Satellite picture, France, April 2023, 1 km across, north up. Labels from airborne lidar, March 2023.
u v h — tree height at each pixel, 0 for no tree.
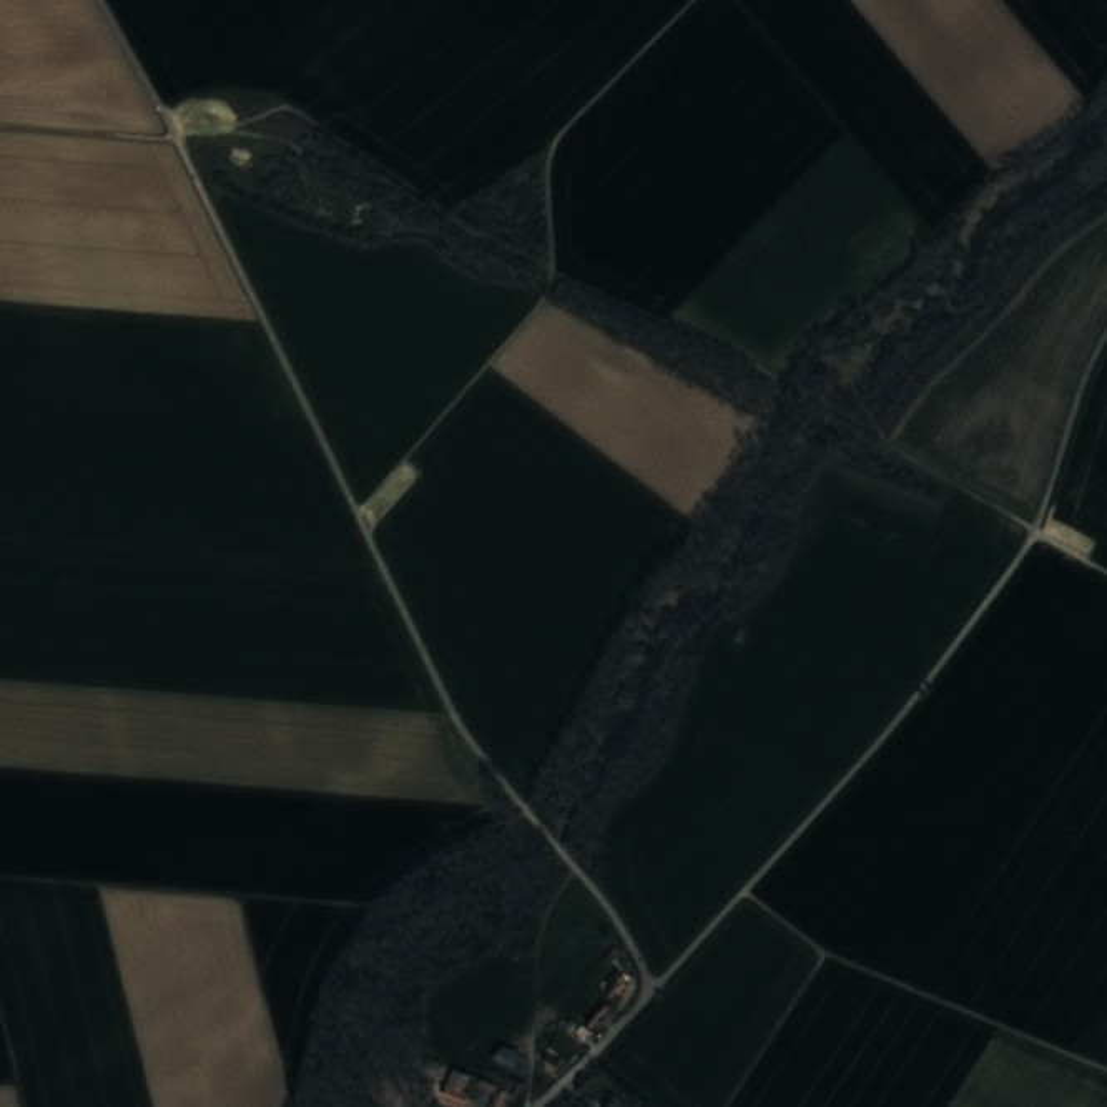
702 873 0
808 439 25
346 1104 23
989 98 0
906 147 0
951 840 0
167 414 0
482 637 0
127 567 0
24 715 0
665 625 14
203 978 0
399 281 0
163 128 0
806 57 0
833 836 0
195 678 0
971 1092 0
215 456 0
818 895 0
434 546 0
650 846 0
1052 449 0
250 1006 0
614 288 0
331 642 0
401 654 0
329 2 0
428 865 17
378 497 0
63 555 0
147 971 0
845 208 0
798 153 0
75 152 0
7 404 0
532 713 0
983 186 9
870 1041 0
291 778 0
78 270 0
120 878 0
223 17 0
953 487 0
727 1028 0
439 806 0
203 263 0
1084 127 6
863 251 0
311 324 0
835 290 0
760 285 0
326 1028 24
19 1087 0
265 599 0
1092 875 0
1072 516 0
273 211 8
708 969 0
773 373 0
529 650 0
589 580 0
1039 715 0
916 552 0
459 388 0
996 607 0
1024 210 17
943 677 0
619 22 0
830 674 0
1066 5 0
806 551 0
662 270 0
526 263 8
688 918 0
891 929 0
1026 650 0
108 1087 0
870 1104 0
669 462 0
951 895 0
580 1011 0
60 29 0
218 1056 0
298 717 0
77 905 0
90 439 0
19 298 0
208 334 0
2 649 0
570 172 0
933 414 0
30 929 0
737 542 32
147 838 0
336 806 0
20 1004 0
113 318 0
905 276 8
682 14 0
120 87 0
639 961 0
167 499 0
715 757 0
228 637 0
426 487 0
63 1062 0
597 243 0
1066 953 0
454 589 0
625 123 0
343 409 0
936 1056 0
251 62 0
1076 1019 0
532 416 0
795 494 26
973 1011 0
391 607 0
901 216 0
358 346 0
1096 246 0
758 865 0
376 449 0
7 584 0
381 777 0
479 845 23
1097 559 0
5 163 0
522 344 0
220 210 0
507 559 0
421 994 23
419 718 0
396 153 0
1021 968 0
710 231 0
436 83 0
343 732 0
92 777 0
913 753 0
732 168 0
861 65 0
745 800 0
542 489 0
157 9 0
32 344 0
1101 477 0
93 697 0
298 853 0
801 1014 0
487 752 0
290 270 0
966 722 0
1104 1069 0
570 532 0
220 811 0
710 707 0
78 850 0
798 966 0
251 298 0
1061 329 0
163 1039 0
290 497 0
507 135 0
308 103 0
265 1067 0
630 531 0
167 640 0
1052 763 0
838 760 0
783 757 0
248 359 0
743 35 0
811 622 0
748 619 0
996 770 0
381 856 0
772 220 0
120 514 0
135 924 0
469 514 0
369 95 0
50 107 0
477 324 0
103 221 0
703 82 0
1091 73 0
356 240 9
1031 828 0
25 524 0
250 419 0
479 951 25
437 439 0
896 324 0
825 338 15
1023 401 0
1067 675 0
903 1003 0
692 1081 0
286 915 0
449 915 38
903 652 0
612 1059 0
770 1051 0
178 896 0
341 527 0
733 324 0
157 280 0
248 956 0
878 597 0
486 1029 0
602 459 0
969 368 0
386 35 0
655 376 0
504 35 0
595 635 0
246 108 0
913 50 0
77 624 0
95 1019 0
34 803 0
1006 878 0
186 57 0
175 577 0
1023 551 0
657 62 0
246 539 0
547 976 0
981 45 0
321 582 0
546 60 0
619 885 0
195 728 0
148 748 0
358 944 34
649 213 0
